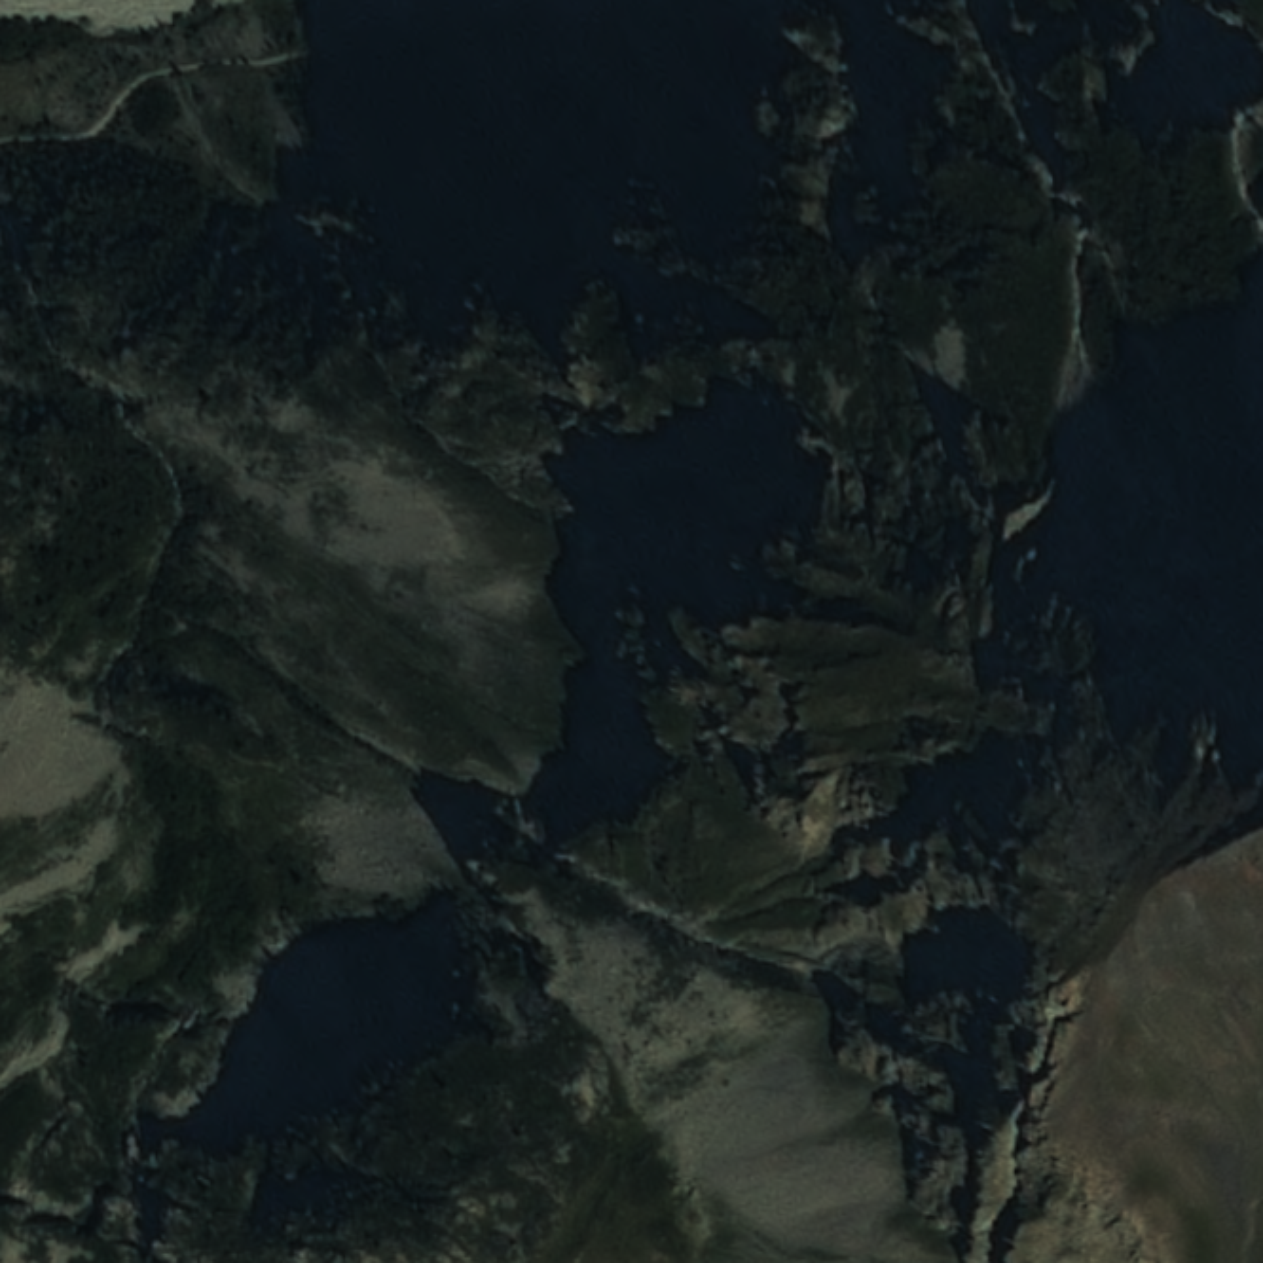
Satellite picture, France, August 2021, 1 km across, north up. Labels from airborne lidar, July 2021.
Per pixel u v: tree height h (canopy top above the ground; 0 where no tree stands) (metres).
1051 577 0
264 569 0
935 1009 0
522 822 0
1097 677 0
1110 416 0
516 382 0
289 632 0
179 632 0
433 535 0
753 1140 0
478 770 0
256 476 0
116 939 0
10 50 12
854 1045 0
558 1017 0
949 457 0
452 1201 0
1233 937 0
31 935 0
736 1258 0
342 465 0
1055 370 0
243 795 0
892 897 0
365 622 0
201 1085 0
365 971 0
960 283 0
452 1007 11
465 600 0
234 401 0
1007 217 0
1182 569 0
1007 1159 0
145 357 0
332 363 0
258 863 0
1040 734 0
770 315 0
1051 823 0
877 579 0
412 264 8
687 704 0
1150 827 0
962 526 0
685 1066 0
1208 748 0
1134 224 0
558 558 0
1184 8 0
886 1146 0
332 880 0
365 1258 0
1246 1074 0
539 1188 0
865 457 0
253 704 0
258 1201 0
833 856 0
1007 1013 0
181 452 0
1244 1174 0
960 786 0
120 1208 0
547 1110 0
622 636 0
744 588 0
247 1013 0
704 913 0
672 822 0
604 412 0
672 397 0
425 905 0
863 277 0
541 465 0
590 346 0
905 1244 0
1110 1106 0
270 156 0
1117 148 0
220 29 0
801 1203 0
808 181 0
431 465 0
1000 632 0
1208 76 0
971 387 0
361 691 0
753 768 0
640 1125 0
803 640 0
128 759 0
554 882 0
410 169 0
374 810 0
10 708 0
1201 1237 0
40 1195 0
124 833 0
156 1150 0
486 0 0
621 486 0
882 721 0
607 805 0
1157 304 0
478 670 0
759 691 0
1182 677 0
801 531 0
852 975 0
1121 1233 0
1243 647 0
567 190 0
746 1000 0
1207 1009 0
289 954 0
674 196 0
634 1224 0
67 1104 0
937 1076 0
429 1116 0
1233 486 0
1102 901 0
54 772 0
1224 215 0
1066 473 0
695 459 0
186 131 0
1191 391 0
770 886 0
